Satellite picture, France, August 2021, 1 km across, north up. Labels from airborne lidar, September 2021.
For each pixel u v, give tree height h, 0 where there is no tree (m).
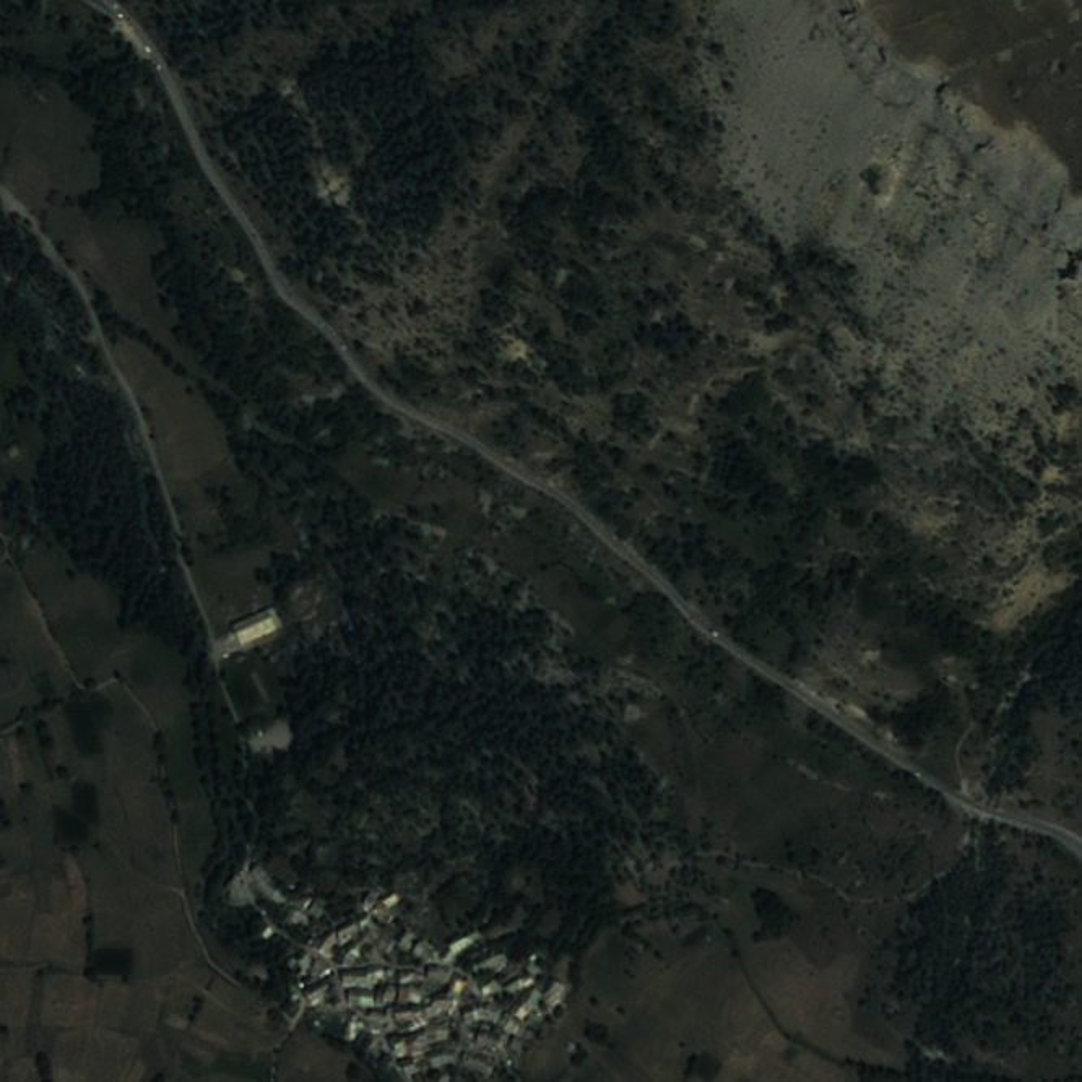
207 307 7
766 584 10
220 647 0
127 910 0
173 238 13
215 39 8
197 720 11
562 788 14
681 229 0
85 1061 0
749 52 0
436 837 9
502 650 12
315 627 0
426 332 0
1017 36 0
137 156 8
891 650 14
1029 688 11
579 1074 0
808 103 0
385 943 0
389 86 19
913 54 0
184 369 10
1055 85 0
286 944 12
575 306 15
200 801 0
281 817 11
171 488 0
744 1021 0
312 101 7
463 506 0
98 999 0
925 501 0
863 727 0
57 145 0
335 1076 0
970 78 0
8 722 0
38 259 9
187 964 0
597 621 0
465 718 11
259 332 8
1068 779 0
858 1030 0
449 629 13
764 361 7
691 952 0
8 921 0
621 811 7
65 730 0
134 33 0
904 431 0
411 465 0
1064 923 8
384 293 0
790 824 0
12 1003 0
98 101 17
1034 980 7
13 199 0
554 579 0
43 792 0
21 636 0
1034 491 13
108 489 18
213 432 0
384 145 8
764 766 0
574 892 20
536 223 17
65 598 0
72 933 0
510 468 0
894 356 0
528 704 19
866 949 0
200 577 0
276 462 8
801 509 8
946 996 6
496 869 7
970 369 0
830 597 7
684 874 8
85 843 0
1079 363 0
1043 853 12
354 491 12
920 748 10
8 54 9
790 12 0
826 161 0
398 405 0
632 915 10
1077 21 0
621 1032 0
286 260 7
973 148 0
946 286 0
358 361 0
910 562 7
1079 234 0
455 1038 8
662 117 18
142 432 0
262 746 0
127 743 0
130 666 0
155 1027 0
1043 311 0
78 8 0
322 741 12
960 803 0
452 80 7
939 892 14
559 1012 10
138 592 14
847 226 0
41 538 15
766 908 16
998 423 0
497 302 11
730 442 11
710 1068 0
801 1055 0
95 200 11
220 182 0
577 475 10
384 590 8
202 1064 0
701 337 11
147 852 0
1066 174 0
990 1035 9
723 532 0
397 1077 0
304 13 19
